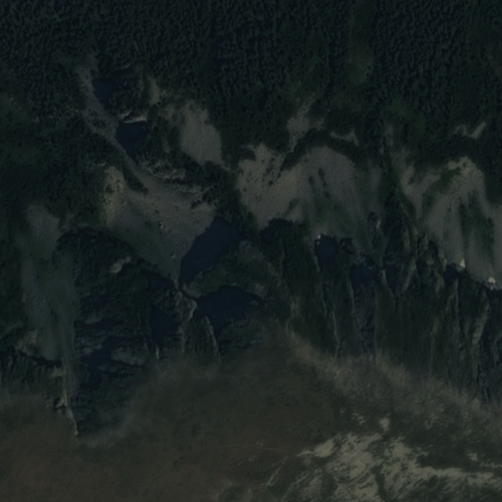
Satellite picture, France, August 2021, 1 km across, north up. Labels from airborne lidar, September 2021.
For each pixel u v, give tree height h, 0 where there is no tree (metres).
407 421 0
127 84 9
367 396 0
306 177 0
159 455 0
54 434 0
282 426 0
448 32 24
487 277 0
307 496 0
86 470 0
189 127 0
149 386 0
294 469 0
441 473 0
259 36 5
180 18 26
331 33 12
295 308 0
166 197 0
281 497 0
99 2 13
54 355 0
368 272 0
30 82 9
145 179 0
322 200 0
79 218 0
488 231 0
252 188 0
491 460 0
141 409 0
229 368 0
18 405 0
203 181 11
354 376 0
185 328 0
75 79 6
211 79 6
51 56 8
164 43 29
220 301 0
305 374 0
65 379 0
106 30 18
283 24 20
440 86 15
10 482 0
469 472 0
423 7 24
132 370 0
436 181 0
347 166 0
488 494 0
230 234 0
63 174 15
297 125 0
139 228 0
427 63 28
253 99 19
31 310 0
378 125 16
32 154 0
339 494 0
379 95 11
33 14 14
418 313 0
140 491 0
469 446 0
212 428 0
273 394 0
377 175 0
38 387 0
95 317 0
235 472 0
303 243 11
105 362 0
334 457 0
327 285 0
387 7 21
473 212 0
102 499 0
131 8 24
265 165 0
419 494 0
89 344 0
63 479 0
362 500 0
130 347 0
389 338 0
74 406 0
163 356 0
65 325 0
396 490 0
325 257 0
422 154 7
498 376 0
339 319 0
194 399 0
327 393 0
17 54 8
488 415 0
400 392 0
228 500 0
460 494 0
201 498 0
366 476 0
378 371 0
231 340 0
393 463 0
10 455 0
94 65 0
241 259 0
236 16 23
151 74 7
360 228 0
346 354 0
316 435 0
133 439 0
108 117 0
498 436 0
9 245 7
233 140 0
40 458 0
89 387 0
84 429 0
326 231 0
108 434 0
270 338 0
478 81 10
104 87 0
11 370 0
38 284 0
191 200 0
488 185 0
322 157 0
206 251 0
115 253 9
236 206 6
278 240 6
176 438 0
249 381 0
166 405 0
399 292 0
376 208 0
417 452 0
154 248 0
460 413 0
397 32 26
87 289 0
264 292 0
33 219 0
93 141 9
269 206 0
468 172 0
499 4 7
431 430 0
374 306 0
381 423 0
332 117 6
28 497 0
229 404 0
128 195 0
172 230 0
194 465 0
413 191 0
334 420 0
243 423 0
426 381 0
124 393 0
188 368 0
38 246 0
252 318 0
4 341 6
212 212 0
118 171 0
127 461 0
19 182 6
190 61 9
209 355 0
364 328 0
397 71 26
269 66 19
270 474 0
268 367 0
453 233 0
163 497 0
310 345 0
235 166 0
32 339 0
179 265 0
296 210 0
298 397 0
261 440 0
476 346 0
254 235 6
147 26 25
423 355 0
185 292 0
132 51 6
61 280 0
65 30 14
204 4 22
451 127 5
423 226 0
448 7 26
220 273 0
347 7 18
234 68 23
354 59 0
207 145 0
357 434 0
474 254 0
